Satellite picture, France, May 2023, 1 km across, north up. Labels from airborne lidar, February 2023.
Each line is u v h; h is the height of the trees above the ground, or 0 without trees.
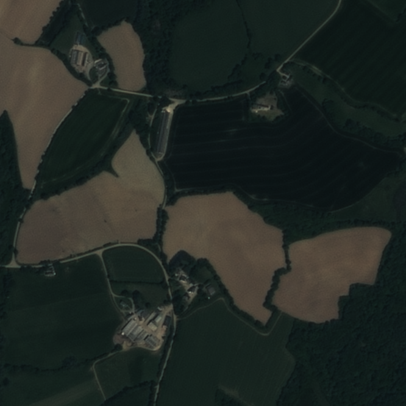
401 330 10
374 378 18
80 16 7
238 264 0
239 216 0
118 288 0
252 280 0
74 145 0
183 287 0
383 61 0
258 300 0
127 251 0
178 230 0
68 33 0
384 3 0
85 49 0
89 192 0
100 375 0
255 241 0
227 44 0
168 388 0
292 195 0
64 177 0
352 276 0
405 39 0
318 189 0
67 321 0
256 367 0
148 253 0
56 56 14
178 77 0
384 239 0
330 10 0
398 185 0
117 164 0
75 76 12
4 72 0
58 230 0
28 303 0
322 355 18
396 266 20
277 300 0
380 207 0
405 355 11
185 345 0
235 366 0
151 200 0
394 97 0
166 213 12
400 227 9
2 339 19
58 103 0
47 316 0
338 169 0
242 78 8
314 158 0
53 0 0
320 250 0
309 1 0
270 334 0
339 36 0
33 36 0
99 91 0
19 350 0
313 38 0
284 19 0
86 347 0
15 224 0
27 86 0
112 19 0
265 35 0
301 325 7
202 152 0
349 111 0
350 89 0
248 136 0
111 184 0
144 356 0
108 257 0
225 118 0
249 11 0
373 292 15
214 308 0
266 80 13
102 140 0
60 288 0
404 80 0
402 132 0
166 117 0
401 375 17
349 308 16
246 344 0
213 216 0
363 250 0
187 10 10
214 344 0
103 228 0
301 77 0
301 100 0
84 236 0
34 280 0
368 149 0
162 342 0
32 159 0
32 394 0
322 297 0
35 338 0
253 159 0
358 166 0
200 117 0
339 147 0
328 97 0
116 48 0
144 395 0
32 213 0
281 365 0
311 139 0
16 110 0
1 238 6
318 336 20
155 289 0
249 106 10
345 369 19
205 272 0
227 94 8
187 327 0
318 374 11
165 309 0
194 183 0
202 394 0
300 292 0
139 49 0
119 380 0
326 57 0
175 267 20
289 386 16
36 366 0
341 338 18
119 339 0
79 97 0
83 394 0
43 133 0
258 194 0
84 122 0
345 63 0
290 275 0
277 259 0
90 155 0
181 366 0
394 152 0
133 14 0
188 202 0
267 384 0
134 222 0
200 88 0
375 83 0
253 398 0
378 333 18
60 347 0
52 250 0
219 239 0
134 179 0
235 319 0
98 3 0
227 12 0
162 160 0
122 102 0
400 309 0
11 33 0
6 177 7
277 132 0
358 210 0
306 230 10
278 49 0
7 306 9
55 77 0
